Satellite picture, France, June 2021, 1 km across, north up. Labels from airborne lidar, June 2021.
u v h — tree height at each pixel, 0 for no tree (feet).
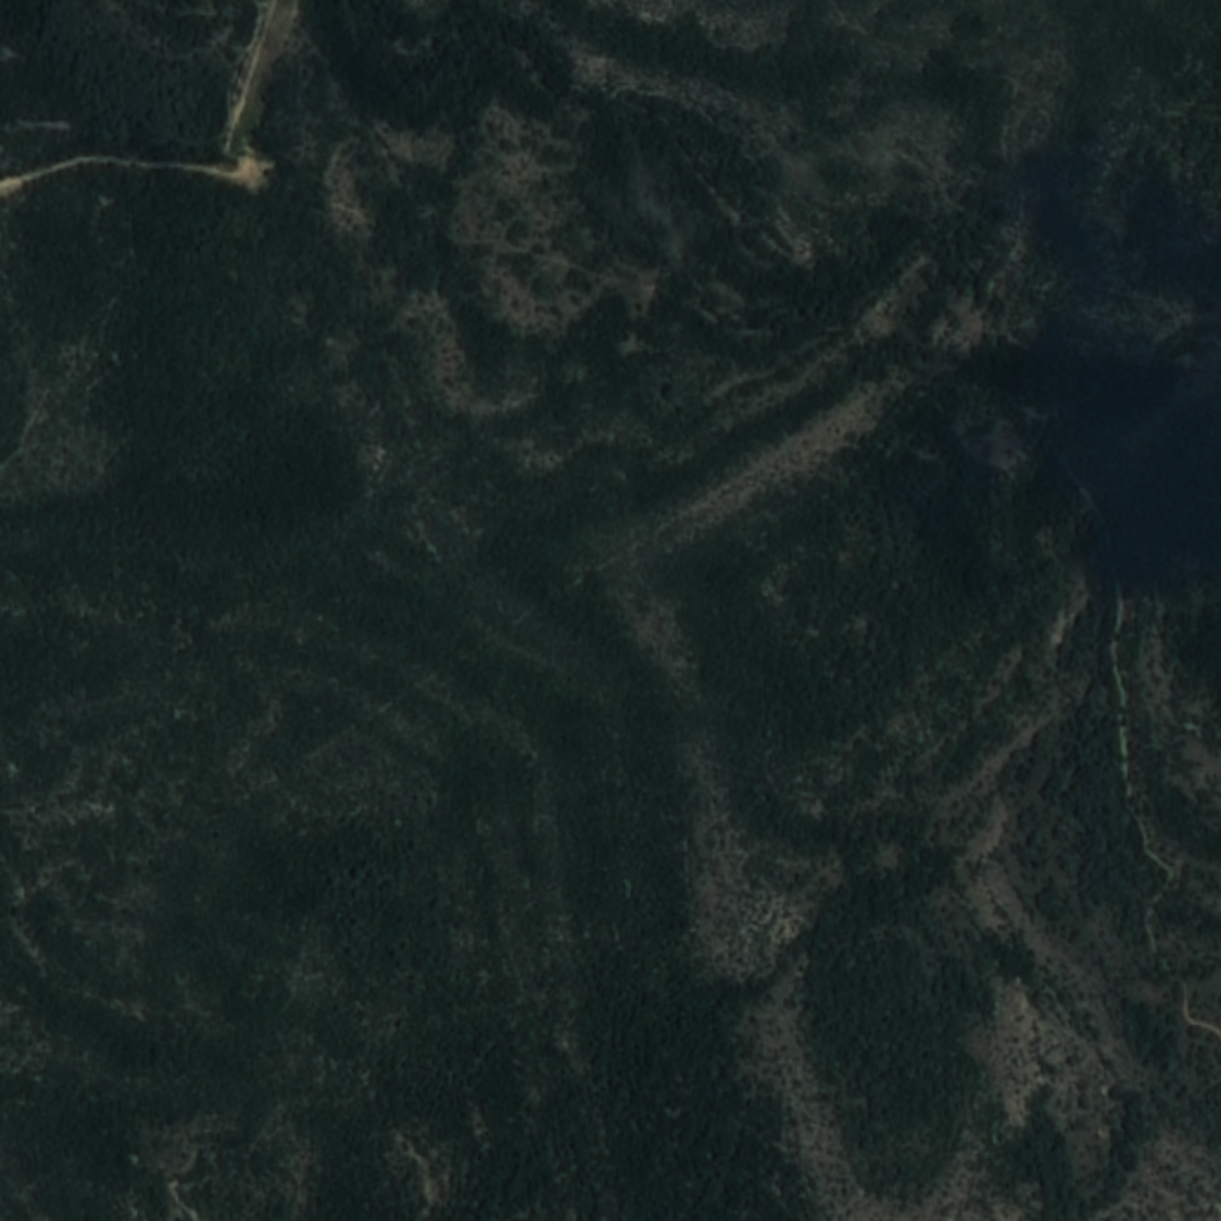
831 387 24
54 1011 21
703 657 24
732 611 24
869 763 30
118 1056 18
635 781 21
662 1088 27
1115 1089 26
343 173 0
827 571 29
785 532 20
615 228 28
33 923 19
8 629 18
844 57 28
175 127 31
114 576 17
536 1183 31
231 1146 24
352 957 22
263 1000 26
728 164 23
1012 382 22
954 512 35
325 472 32
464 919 32
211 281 30
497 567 20
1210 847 26
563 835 23
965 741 24
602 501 23
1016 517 20
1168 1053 31
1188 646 22
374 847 20
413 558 20
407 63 26
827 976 32
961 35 20
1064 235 21
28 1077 23
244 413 28
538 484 25
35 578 17
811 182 20
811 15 19
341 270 22
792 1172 24
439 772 22
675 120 21
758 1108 27
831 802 29
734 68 29
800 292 22
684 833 18
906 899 35
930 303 25
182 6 20
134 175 32
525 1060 21
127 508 31
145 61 31
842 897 34
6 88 22
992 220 22
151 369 29
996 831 0
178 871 18
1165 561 28
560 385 24
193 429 23
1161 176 21
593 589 24
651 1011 23
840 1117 22
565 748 21
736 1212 29
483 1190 31
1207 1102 24
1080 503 18
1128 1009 25
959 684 22
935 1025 29
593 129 22
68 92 43
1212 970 20
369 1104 30
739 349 36
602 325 18
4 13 18
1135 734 25
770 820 29
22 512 19
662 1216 34
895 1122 20
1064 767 20
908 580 26
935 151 0
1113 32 19
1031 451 21
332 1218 27
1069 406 20
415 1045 17
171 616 18
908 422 32
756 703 20
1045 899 30
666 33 26
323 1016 18
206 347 21
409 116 35
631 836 18
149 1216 21
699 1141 40
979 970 22
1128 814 34
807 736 32
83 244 23
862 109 22
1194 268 38
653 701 23
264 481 37
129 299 28
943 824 18
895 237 22
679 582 18
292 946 20
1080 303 0
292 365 24
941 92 31
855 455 27
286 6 0
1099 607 31
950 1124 18
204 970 25
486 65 37
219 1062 19
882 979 31
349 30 52
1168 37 21
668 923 27
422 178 20
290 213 22
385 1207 22
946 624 25
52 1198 21
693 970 22
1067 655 32
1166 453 26
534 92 34
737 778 20
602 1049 34
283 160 21
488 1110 29
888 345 30
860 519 34
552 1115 23
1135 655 18
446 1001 28
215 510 35
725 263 25
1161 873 21
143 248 26
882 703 31
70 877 19
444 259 19
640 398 21
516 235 21
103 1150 26
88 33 50
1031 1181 24
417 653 20
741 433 24
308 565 20
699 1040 27
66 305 21
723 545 18
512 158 0
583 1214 23
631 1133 29
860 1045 28
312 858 21
